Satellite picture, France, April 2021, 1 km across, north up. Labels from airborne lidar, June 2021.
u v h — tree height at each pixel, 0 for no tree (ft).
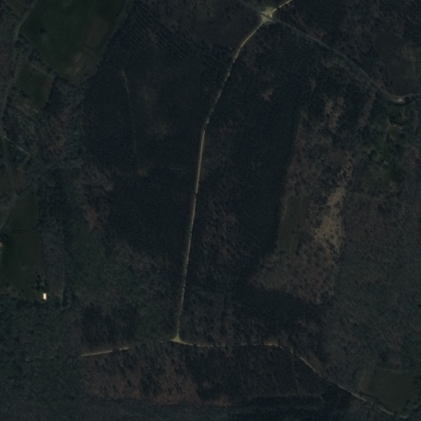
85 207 37
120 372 29
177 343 23
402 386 0
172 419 51
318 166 42
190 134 36
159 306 44
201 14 0
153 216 54
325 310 54
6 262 0
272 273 46
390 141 31
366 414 38
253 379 64
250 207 51
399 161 56
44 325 40
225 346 25
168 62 32
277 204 46
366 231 25
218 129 39
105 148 46
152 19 31
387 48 0
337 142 47
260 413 35
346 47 22
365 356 60
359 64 58
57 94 60
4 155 25
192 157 33
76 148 26
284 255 46
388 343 50
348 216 49
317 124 36
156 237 52
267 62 42
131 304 25
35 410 61
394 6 47
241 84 44
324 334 52
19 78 0
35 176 64
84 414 46
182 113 33
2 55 38
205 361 59
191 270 33
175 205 46
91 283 39
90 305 24
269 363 65
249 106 48
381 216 25
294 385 67
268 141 49
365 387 0
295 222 0
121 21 0
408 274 79
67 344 48
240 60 37
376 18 20
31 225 0
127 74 35
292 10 48
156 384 54
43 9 0
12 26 48
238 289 46
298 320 54
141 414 66
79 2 0
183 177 29
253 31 0
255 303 49
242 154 43
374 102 35
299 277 57
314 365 30
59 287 45
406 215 44
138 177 37
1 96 54
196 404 45
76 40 0
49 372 40
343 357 48
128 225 52
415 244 56
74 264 50
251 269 39
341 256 31
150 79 24
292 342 60
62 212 72
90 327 54
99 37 0
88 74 18
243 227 39
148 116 19
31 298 0
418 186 40
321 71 44
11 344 41
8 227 0
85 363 36
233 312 18
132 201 47
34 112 0
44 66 62
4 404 64
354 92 37
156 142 35
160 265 38
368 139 73
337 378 31
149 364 48
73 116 19
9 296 35
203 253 43
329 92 50
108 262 52
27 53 32
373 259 27
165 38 43
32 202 0
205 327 30
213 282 47
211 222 20
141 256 35
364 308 44
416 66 0
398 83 0
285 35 49
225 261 36
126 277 31
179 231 43
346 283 45
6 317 51
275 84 37
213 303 47
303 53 27
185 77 30
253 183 49
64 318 55
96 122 33
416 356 48
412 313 58
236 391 46
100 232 55
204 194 50
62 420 55
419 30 41
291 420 58
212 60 47
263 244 39
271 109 43
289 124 33
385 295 67
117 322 42
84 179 31
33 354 43
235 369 51
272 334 57
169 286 22
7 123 63
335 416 33
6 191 0
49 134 30
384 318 74
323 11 44
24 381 52
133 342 47
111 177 25
